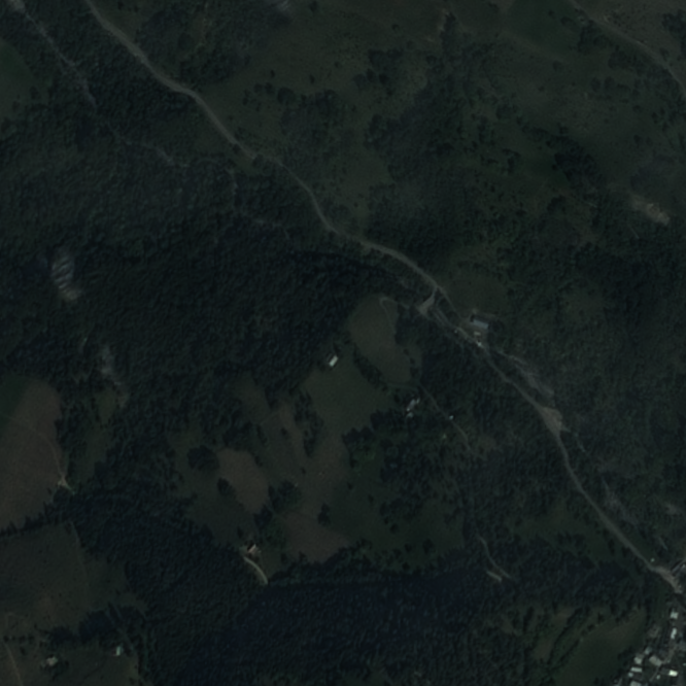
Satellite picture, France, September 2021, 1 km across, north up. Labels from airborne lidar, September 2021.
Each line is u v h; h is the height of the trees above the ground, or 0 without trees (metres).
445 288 0
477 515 9
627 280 20
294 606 18
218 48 9
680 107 15
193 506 14
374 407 0
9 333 29
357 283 18
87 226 16
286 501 18
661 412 20
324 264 16
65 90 15
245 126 0
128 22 0
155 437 15
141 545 18
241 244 12
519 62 0
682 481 17
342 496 0
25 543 0
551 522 0
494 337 12
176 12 8
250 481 0
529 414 13
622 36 0
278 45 0
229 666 18
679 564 0
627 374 16
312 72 0
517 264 13
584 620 16
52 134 11
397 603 29
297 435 0
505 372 10
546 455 11
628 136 0
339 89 0
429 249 24
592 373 13
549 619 10
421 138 28
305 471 7
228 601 15
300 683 8
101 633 20
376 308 0
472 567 7
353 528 0
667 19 11
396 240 23
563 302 8
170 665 19
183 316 14
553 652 8
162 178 7
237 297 12
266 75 0
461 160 13
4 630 0
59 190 15
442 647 22
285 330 10
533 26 0
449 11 0
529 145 0
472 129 0
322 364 11
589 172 30
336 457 0
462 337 8
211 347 21
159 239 20
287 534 0
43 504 0
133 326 11
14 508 0
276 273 17
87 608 0
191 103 15
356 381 0
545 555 18
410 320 11
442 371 23
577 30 13
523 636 8
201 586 18
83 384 9
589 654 0
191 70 12
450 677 26
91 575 0
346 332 7
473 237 13
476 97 12
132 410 12
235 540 0
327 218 8
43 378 22
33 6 17
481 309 0
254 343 15
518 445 11
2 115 0
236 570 18
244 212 17
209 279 11
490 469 12
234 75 0
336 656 23
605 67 0
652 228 10
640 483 13
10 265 15
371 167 0
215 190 17
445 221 22
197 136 18
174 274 16
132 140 8
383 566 7
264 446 9
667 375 14
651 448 20
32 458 0
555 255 11
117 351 7
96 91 14
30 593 0
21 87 0
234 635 14
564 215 8
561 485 13
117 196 13
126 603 0
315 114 17
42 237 8
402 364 0
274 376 21
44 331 16
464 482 16
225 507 0
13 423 0
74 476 19
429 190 23
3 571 0
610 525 0
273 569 0
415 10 0
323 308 15
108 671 0
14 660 0
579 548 20
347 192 0
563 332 13
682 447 17
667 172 18
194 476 0
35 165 14
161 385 17
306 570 11
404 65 19
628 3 0
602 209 13
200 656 16
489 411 16
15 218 21
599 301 0
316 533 0
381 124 16
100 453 0
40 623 0
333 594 18
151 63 7
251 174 0
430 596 21
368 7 0
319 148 18
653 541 16
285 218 23
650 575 6
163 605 17
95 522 21
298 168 19
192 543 18
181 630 18
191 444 0
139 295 11
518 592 15
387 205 20
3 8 20
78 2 23
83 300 8
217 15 9
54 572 0
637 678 0
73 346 15
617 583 25
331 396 0
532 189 0
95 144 30
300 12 0
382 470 0
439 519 0
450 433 9
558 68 13
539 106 0
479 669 24
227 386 22
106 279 14
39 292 24
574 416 12
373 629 27
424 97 16
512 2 0
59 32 22
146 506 20
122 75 20
